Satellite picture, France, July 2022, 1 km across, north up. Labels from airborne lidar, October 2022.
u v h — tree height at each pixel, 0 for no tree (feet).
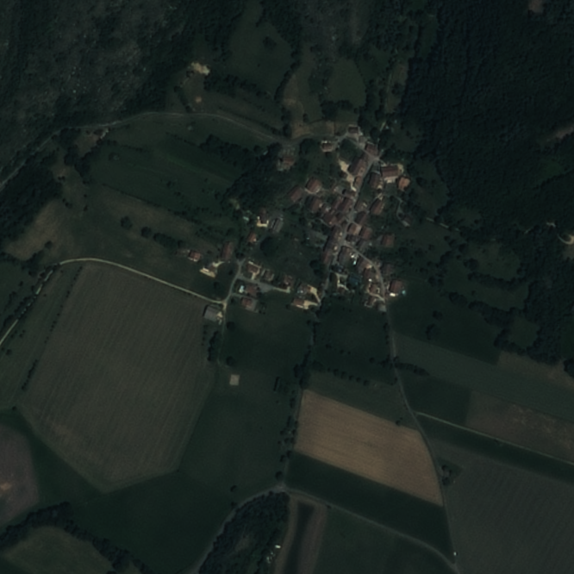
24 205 29
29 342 0
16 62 31
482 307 71
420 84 73
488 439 0
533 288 43
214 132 0
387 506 0
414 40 51
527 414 0
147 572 67
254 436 0
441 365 0
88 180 52
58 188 53
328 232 35
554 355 63
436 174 0
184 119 0
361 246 0
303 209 20
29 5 42
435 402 0
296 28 48
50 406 0
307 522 0
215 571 30
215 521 0
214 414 0
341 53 29
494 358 0
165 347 0
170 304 0
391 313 0
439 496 0
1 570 0
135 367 0
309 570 0
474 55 48
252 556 41
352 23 0
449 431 0
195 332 0
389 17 54
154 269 0
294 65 32
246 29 0
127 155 0
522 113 55
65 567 0
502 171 63
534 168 70
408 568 0
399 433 0
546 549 0
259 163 62
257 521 23
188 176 0
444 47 54
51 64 24
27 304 47
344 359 0
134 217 0
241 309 0
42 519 62
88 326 0
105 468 0
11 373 0
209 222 0
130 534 0
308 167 41
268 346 0
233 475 0
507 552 0
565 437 0
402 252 39
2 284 0
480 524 0
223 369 0
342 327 0
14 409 0
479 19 46
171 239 38
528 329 0
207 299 0
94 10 27
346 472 0
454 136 34
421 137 23
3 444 0
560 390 0
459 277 0
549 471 0
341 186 0
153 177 0
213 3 39
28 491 0
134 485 0
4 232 33
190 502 0
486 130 47
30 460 0
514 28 50
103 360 0
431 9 35
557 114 70
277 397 0
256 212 31
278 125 0
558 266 19
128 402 0
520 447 0
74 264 0
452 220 32
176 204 0
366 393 0
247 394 0
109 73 29
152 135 0
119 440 0
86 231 0
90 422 0
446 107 73
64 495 0
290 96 0
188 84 0
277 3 46
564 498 0
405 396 0
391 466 0
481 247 40
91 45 27
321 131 0
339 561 0
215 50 26
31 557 0
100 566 0
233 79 44
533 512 0
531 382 0
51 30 31
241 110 0
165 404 0
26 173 46
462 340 0
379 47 47
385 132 29
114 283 0
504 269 0
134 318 0
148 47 33
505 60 33
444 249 0
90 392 0
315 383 0
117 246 0
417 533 0
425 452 0
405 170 0
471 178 56
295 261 0
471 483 0
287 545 0
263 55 0
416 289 0
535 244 74
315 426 0
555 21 47
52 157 36
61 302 0
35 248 0
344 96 0
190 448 0
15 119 19
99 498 0
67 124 58
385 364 41
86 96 27
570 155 69
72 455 0
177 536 0
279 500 43
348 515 0
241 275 0
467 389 0
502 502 0
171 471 0
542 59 51
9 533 50
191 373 0
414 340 0
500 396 0
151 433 0
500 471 0
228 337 0
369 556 0
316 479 0
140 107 36
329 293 31
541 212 40
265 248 64
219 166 0
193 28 47
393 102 0
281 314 0
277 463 0
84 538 61
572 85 78
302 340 0
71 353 0
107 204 0
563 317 39
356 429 0
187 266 0
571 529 0
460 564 0
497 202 67
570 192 59
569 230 22
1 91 32
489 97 51
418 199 31
